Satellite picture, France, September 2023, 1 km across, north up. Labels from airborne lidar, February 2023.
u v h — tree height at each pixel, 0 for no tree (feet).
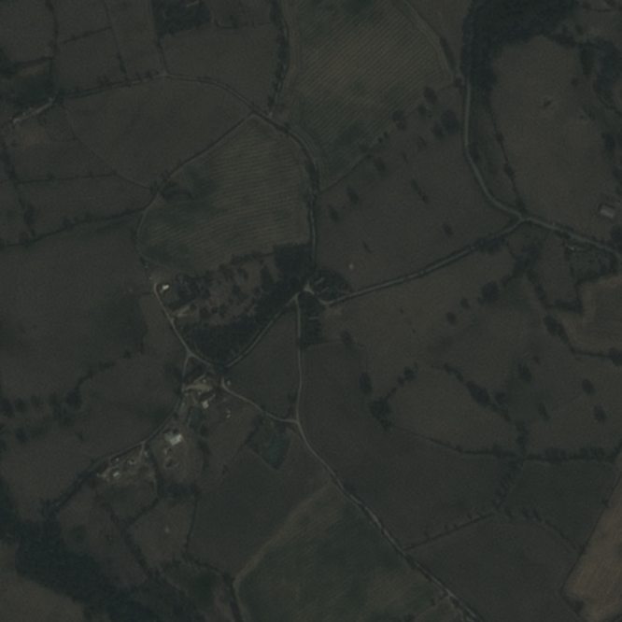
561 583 0
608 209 0
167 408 0
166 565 33
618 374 0
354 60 0
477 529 0
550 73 0
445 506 0
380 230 0
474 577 0
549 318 19
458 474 0
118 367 0
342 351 0
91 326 0
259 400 0
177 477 0
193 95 0
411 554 0
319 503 0
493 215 0
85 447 0
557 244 0
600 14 0
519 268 43
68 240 0
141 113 0
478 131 0
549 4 31
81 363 0
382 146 0
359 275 0
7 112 0
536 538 0
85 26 0
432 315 0
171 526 0
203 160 0
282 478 0
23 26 0
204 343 47
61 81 0
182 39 0
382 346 0
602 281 0
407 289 0
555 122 0
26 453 0
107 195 0
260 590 0
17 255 0
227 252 0
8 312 0
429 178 0
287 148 0
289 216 0
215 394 21
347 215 0
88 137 0
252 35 0
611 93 28
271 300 49
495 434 0
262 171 0
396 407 0
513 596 0
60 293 0
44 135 0
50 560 82
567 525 0
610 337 0
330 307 0
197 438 0
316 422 0
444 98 0
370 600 0
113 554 0
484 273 0
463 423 0
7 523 84
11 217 0
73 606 0
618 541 0
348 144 0
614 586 0
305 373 0
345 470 0
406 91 0
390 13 0
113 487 0
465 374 0
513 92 0
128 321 0
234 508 0
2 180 0
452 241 0
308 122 0
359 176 0
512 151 0
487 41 70
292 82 0
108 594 70
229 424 0
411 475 0
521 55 0
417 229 0
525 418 0
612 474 0
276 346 0
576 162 0
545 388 0
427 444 0
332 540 0
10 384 0
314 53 0
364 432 0
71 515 0
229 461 0
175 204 0
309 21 0
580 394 0
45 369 0
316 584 0
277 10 51
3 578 0
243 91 0
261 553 0
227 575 31
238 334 44
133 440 0
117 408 0
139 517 30
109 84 57
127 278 0
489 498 0
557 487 0
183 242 0
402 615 0
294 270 43
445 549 0
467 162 0
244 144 0
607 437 0
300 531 0
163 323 0
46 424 0
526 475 0
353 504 0
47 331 0
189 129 0
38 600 0
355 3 0
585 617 0
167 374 0
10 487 0
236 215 0
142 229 0
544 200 0
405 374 27
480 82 28
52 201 0
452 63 47
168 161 0
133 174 0
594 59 0
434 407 0
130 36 0
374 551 0
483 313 0
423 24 0
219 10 0
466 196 0
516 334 0
